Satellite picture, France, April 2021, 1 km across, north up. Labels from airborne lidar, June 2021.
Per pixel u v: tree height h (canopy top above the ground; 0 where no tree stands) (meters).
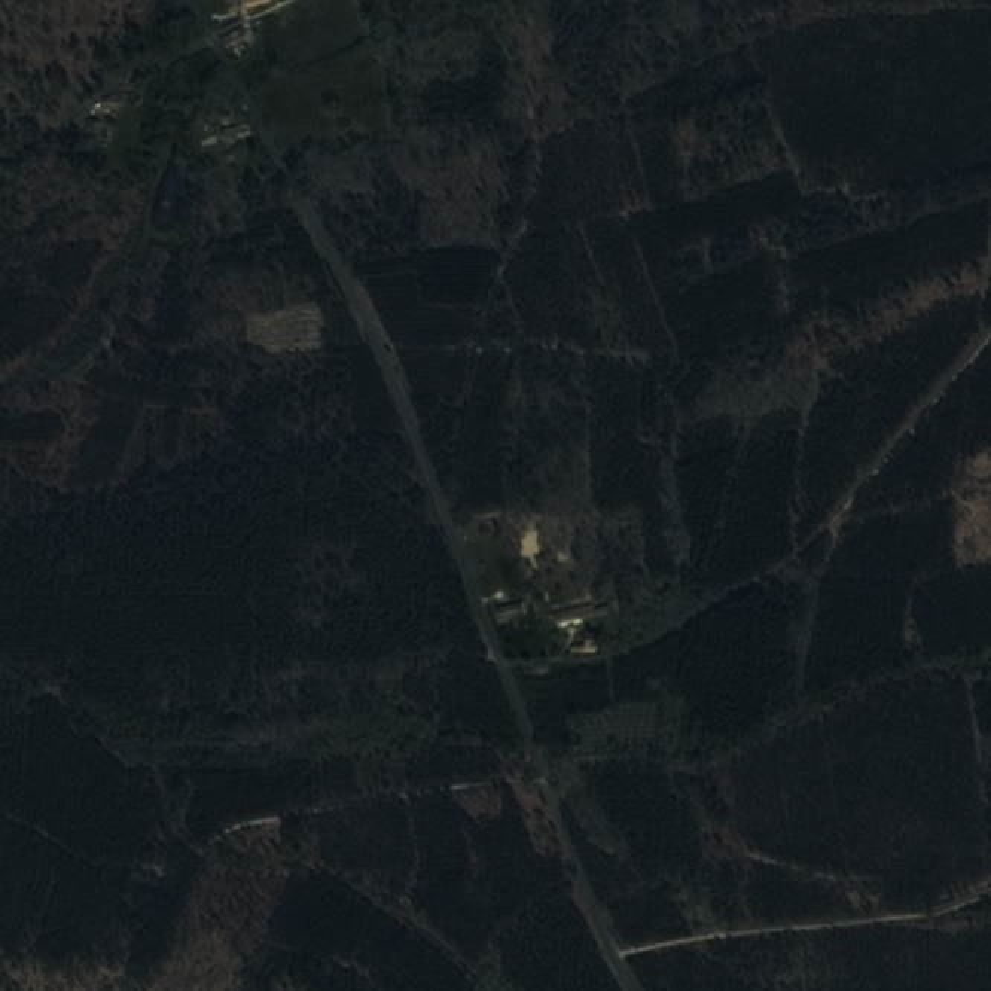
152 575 19
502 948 14
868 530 11
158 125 12
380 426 9
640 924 12
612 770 13
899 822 9
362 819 13
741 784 11
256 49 0
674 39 17
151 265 9
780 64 5
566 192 9
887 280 10
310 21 0
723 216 9
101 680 16
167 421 9
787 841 10
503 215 14
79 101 15
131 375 13
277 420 9
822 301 12
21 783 16
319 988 17
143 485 13
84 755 12
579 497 12
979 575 12
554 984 15
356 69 0
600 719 27
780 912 13
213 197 18
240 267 11
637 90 11
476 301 8
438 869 13
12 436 10
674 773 13
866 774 10
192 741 15
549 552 12
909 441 10
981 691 12
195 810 12
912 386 9
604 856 15
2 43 14
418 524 15
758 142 20
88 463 9
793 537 14
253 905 13
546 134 14
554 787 13
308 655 16
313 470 16
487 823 13
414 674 12
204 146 0
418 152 14
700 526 16
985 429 7
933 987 9
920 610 13
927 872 10
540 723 9
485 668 11
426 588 18
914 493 8
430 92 8
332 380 12
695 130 10
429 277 9
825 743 12
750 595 14
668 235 9
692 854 18
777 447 13
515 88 16
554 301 8
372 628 18
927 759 11
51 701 12
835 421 11
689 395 15
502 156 7
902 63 7
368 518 14
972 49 6
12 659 14
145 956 12
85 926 11
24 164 18
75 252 10
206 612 13
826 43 6
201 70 0
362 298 0
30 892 9
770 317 12
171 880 10
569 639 12
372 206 8
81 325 7
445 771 11
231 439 12
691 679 13
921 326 10
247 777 10
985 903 9
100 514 16
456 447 14
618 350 15
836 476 11
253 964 6
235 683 20
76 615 15
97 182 17
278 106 0
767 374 12
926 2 10
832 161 7
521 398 10
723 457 15
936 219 9
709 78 8
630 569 17
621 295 8
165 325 11
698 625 13
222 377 12
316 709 16
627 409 11
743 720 15
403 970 13
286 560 18
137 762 15
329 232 12
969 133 6
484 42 6
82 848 13
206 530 18
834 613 15
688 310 8
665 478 7
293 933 12
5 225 11
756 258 9
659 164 8
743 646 15
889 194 8
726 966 7
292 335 0
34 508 14
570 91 7
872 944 8
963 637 13
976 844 10
